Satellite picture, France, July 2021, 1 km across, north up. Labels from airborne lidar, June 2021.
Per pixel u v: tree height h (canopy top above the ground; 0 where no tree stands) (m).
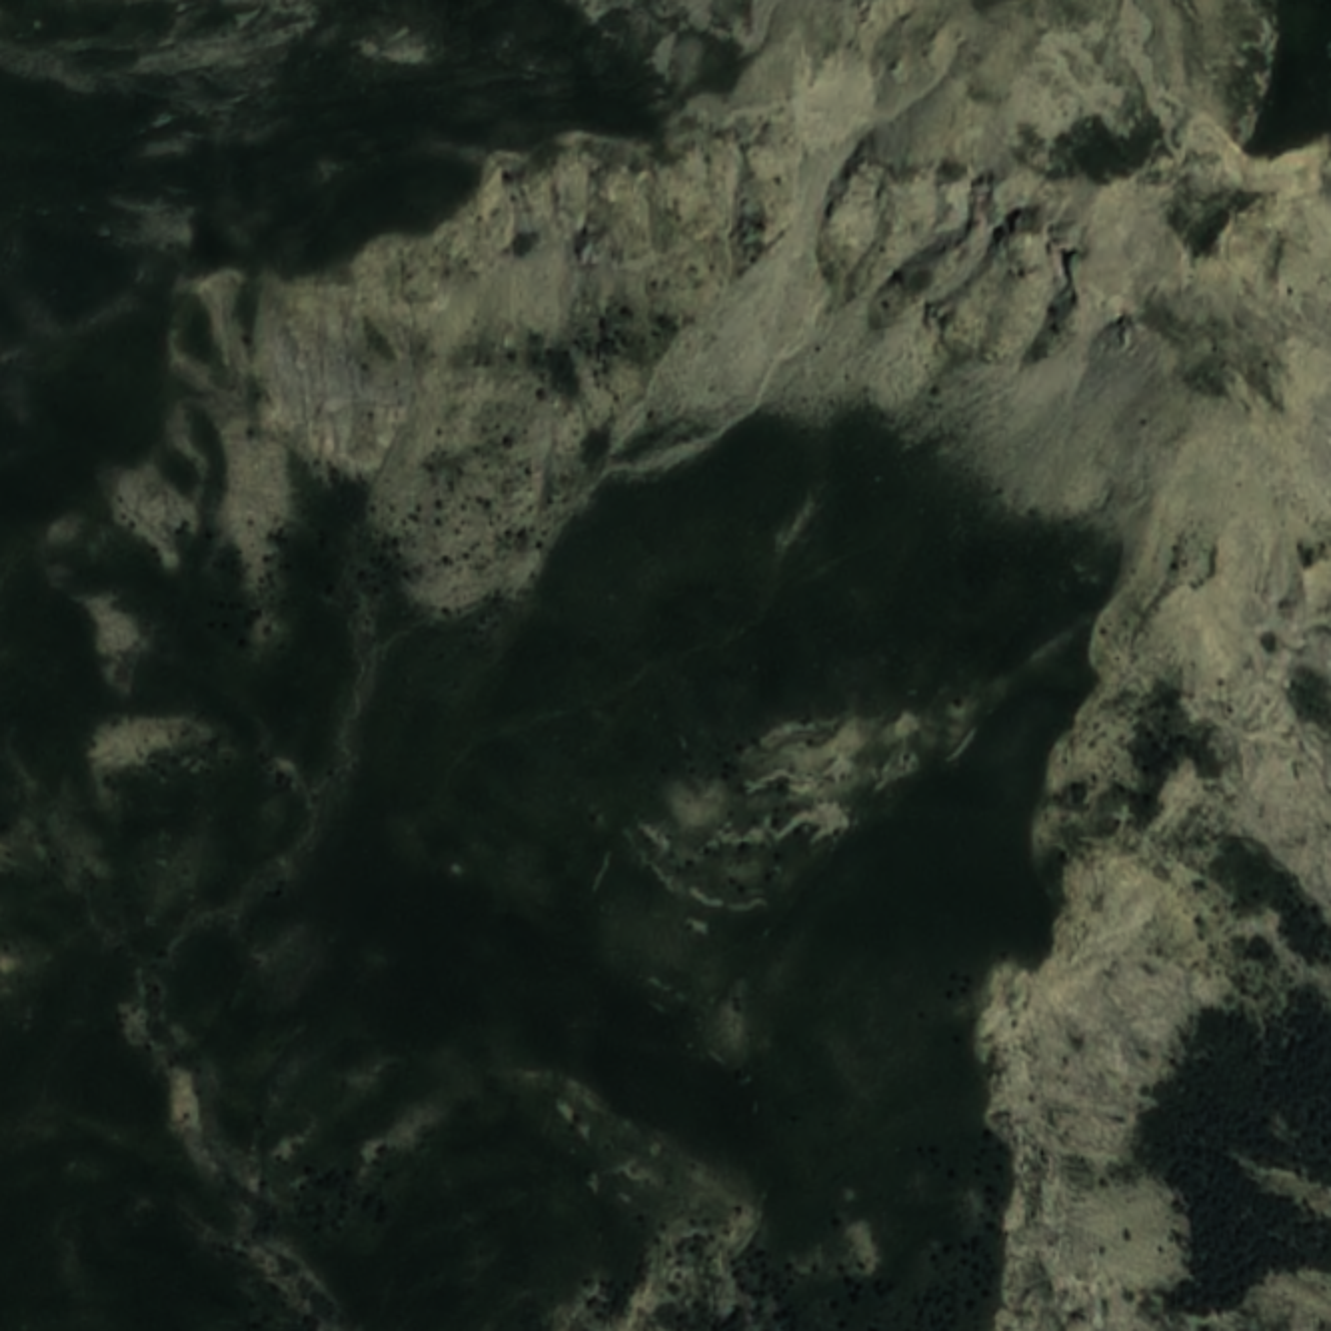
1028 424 0
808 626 0
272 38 0
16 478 0
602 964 0
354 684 0
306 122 0
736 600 0
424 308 0
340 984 0
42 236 0
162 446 0
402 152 0
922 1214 0
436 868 0
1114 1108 0
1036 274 0
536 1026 0
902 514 0
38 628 0
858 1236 0
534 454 0
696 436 0
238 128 0
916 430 0
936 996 0
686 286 0
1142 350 0
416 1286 0
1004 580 0
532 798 0
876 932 0
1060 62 0
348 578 0
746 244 0
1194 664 0
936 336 0
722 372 0
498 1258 0
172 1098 0
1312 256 0
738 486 0
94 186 0
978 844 0
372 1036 0
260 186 0
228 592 0
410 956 0
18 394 0
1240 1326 0
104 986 0
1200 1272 7
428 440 0
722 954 0
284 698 0
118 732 0
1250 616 0
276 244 0
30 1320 0
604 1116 0
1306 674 0
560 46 0
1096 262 0
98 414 0
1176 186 0
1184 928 0
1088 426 0
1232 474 0
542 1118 0
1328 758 0
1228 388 0
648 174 0
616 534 0
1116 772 0
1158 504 0
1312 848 0
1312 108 0
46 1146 0
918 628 0
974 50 0
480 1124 0
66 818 0
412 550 0
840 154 0
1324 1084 11
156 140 0
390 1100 0
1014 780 0
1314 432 0
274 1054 0
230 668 0
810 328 0
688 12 0
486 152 0
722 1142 0
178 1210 0
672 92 0
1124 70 0
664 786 0
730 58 0
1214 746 0
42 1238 0
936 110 0
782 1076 0
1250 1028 8
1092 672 0
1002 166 0
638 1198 0
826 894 0
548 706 0
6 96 0
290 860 0
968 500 0
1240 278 0
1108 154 0
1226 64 0
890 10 0
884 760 0
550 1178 0
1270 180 0
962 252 0
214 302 0
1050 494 0
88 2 0
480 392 0
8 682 0
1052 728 0
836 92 0
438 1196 0
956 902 0
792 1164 0
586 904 0
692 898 0
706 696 0
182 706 0
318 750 0
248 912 0
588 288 0
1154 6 0
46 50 0
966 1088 0
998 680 0
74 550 0
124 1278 0
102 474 0
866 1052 0
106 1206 0
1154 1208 0
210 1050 0
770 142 0
